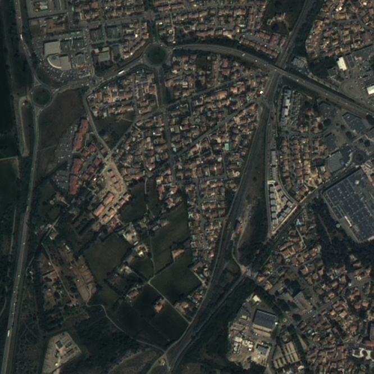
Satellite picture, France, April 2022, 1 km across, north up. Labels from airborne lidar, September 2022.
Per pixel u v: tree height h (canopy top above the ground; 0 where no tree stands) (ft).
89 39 0
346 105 0
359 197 0
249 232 0
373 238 0
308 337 42
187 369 0
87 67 0
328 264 63
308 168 0
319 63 38
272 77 0
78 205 29
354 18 17
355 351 0
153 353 0
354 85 0
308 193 22
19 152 36
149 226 22
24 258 0
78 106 0
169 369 0
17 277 0
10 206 23
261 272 20
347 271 44
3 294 32
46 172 0
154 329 0
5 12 0
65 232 0
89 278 0
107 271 0
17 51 27
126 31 18
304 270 0
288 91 0
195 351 18
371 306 28
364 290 28
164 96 21
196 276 0
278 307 45
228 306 31
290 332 52
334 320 20
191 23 34
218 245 40
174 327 0
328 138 0
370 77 0
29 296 0
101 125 0
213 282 23
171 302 0
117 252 0
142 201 0
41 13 0
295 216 33
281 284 0
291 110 30
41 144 0
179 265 0
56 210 0
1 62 0
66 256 0
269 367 0
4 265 28
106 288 0
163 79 32
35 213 43
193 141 18
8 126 0
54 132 0
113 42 18
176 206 23
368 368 41
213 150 26
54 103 0
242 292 22
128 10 0
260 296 62
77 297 23
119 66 32
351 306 28
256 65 0
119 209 42
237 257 0
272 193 0
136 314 0
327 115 0
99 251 0
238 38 0
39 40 0
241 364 31
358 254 52
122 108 0
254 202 0
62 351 0
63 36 0
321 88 0
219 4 0
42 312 23
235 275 18
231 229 0
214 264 36
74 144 0
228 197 38
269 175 0
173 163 37
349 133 27
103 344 20
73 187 0
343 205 0
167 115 19
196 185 20
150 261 0
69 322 0
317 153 0
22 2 0
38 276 25
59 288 18
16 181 0
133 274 0
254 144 0
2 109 0
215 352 0
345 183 0
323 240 36
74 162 0
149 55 21
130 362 0
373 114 0
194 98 17
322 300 25
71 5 36
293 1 0
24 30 27
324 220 37
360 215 0
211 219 0
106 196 21
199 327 32
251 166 0
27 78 0
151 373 0
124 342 43
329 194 0
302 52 33
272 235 0
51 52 0
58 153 0
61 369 0
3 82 0
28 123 0
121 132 0
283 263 47
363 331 22
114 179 26
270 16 0
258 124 0
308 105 34
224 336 26
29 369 0
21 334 0
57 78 0
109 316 19
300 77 0
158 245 0
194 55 0
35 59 47
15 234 22
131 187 31
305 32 51
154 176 25
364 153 0
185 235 0
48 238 23
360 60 0
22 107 0
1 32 0
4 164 0
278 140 31
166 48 0
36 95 0
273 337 0
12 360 0
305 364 43
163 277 0
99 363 20
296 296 0
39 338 0
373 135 0
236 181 24
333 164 0
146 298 0
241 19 24
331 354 0
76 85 0
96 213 26
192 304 44
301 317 28
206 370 25
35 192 50
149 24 33
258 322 0
